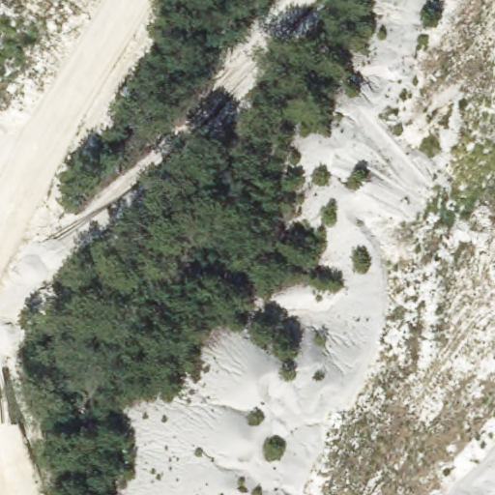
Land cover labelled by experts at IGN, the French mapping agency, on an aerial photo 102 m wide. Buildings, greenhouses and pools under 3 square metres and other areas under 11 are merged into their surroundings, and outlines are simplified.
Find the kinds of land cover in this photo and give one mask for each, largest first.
<instances>
[{"label":"pervious surface","instance_id":"1","mask_svg":"<svg viewBox=\"0 0 495 495\"><path fill-rule=\"evenodd\" d=\"M0 14L10 17L12 27L17 23V17H23L25 25L33 23L39 29L41 39L39 43L25 48V60L29 68L23 75H19L12 85H8V93L25 91V97H17L10 102L8 110H0V495H43L41 487L35 481L37 472L29 460L25 445L35 439H43V422L29 412V406L23 396V381L19 377V371L23 367L19 364L17 352L25 340V335L19 327V313L33 292L39 294V300L54 296V275L75 251V242L79 234L87 232L93 222L106 226V205L118 199L126 189H130L137 182V176L145 172L151 164H159L170 149L166 141H160L159 149L155 153H149L143 159L137 160L128 172L114 180L108 188L102 189L81 213L73 215L60 205V174L66 172V157L81 145V141L91 131L101 133L112 126V118L108 114L110 102L114 101L116 95H130L122 81L128 73L135 70L139 58H143L153 46V39L147 33V25L155 23L153 0H0ZM315 0H278L269 10V14L253 21L251 35L247 37L246 43L238 44L234 50H228L222 70H218L215 75L217 91L203 99L199 106H193L189 110L188 124L174 126V133L189 130L193 137L209 133L217 143L226 147H232L238 137L236 106L240 104L242 108H251V97L247 93L255 87L257 79L269 70V60L265 58L269 48L267 41L277 39L280 35V21L284 17V12L290 6H307ZM427 0H375V21L379 19L387 27V37H371L369 54L358 52L352 56L354 70L364 75L360 95H336L331 135L311 133L307 137H294V147L300 151V160L304 168V184H300L296 191L298 203H304L302 215L284 220L288 228H292L298 222L309 224L311 228H325L327 247L321 253V265L340 271L344 280L338 292L315 290L311 286H292L275 296L255 298V307L259 309H263L267 304H278L288 311V315L298 317L302 325V342L300 354L296 356V377L292 381H284L280 377L278 358L255 346L246 329L238 333L226 331L222 327L213 329L201 350V360L203 364L209 365V371L201 373L199 381L184 379L182 391L172 402L143 400L124 412L130 418L131 427L135 431L137 452L135 476L133 480L128 481L126 489L120 491V495H495V222L489 220V207H478L474 209L472 217L456 220L452 228H441L437 222L439 217L427 211L425 205L433 197V186H441L447 191L466 189V184L458 174H462L468 168L470 153L474 151V147H478L487 139L495 141V0H443V14L439 23L435 27H425L422 21V8ZM427 135L437 137L441 143V149L435 157H425L422 153L420 143ZM362 160L367 162L369 180L358 189L346 188V180L350 178L354 166ZM317 166H327L331 174L327 186H317L313 182V170ZM329 201H336V222L333 226L321 218V209ZM356 247H365L369 253L371 265L367 273H358L354 269L352 253ZM275 435L282 437L286 443L284 454L278 460H265L263 445L269 437Z\"/></svg>","mask_w":495,"mask_h":495},{"label":"coniferous trees","instance_id":"2","mask_svg":"<svg viewBox=\"0 0 495 495\"><path fill-rule=\"evenodd\" d=\"M278 0H153L155 23L147 25V33L153 39V46L143 58H139L135 70L128 73L122 81L130 95H116L114 101L110 102L108 114L112 118V126L101 133L91 131L81 141V145L66 157V172L60 174V205L73 215L81 213L102 189L108 188L114 180L128 172L137 160L143 159L149 153H155L159 149L160 141H166L170 149L159 164H151L145 172L137 176V182L130 189H126L118 199L106 205V226L93 222L87 232L79 234L75 242V251L54 275V296L39 300V294L33 292L19 313V327L25 335V340L17 352L19 364L23 367L19 371V377L23 381V396L29 406V412L43 422V439L44 462L54 476L52 489L58 495H120V491L126 489L128 481L133 480L135 476L137 452L135 431L131 427L130 418L124 412L143 400L172 402L182 391L184 379L199 381L201 373L209 371V365L203 364L201 360V350L213 329L222 327L226 331L238 333L246 329L255 346L278 358L280 377L284 381H292L296 377V356L300 354L302 342V325L298 317L288 315V311L278 304H267L263 309H259L255 307V298L275 296L292 286H311L315 290L338 292L344 280L340 271L321 265V253L327 247L325 228H311L309 224L298 222L292 228H288L284 220L282 205L298 203L296 191L300 184H304V168L300 160V151L294 147V137H307L311 133L331 135L336 95H360L364 75L354 70L352 56L358 52L369 54L371 37H387V27L379 19L375 21V0H315L307 6H290L284 12V17L280 21V35L277 39L267 41L269 48L265 58L269 60V70L257 79L255 87L247 93L251 97V108H242L240 104L236 106L238 137L232 147H226L217 143L209 133L193 137L189 130L174 133V126L188 124L189 110L193 106H199L203 99L217 91L215 75L218 70H222L228 50H234L238 44L246 43L247 37L251 35L253 21L269 14V10Z\"/></svg>","mask_w":495,"mask_h":495},{"label":"herbaceous vegetation","instance_id":"3","mask_svg":"<svg viewBox=\"0 0 495 495\"><path fill-rule=\"evenodd\" d=\"M41 39L39 29L33 23L25 25L23 17H17V23L12 27L10 17L0 14V110H8L10 102L17 97H25V91L8 93V85H12L19 75H23L29 68L25 60V48L39 43ZM422 153L425 157H435L441 149V143L437 137L427 135L420 143ZM466 184V189L447 191L441 186H433V197L425 205L427 211L439 217L437 222L441 228H452L456 220L472 217L474 209L478 207H489V220L495 222V141L487 139L478 147H474V151L470 153L468 168L462 174H458ZM331 174L327 166H317L313 170V182L317 186H327ZM321 218L333 226L336 222V201H329L321 209ZM304 203H298L282 205L284 220L302 215ZM29 460L37 472L35 481L41 487L43 495H58L52 489L54 476L44 462L43 439H35L25 445Z\"/></svg>","mask_w":495,"mask_h":495},{"label":"brushwood","instance_id":"4","mask_svg":"<svg viewBox=\"0 0 495 495\"><path fill-rule=\"evenodd\" d=\"M443 14V0H427L422 8V21L425 27H435L439 23ZM369 180L367 162L362 160L354 166L350 178L346 180V188L358 189ZM354 269L358 273H367L371 265L369 253L365 247H356L352 253ZM286 443L282 437L275 435L269 437L263 445L265 460H278L284 454Z\"/></svg>","mask_w":495,"mask_h":495}]
</instances>
